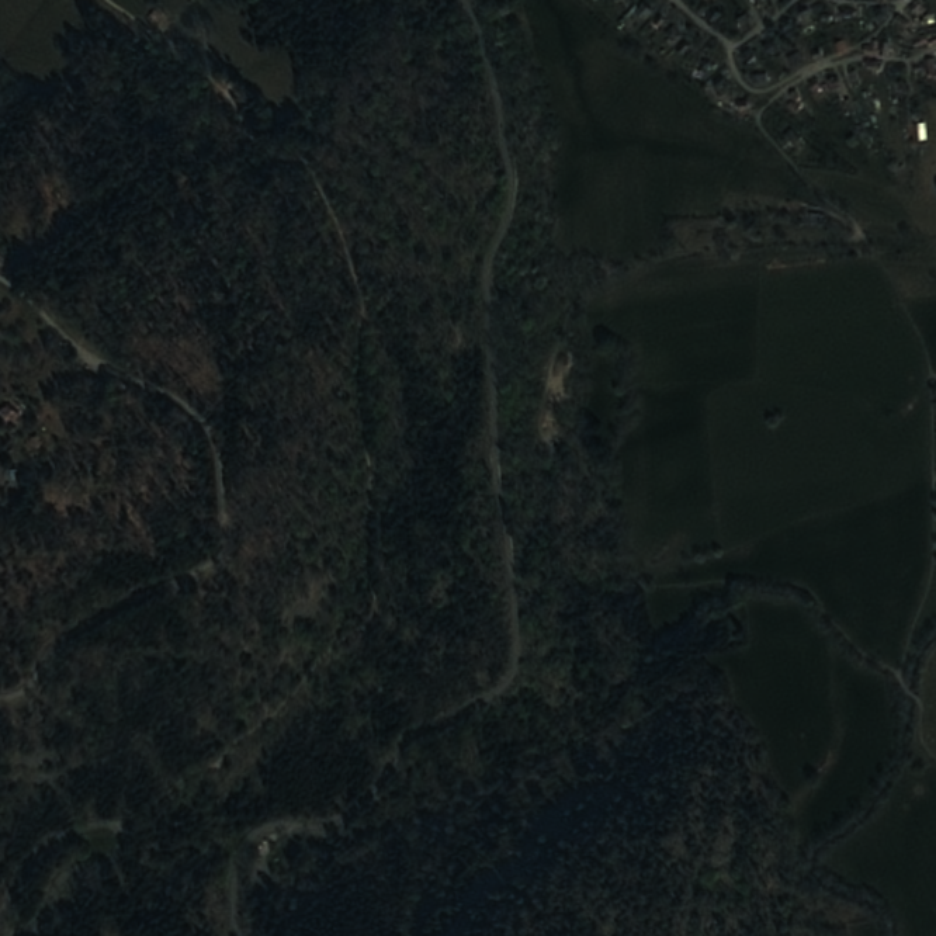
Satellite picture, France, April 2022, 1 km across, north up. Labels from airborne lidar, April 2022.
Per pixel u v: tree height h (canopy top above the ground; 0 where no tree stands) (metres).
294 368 35
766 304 0
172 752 26
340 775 19
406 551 23
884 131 0
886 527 0
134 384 23
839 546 0
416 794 18
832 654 0
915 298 0
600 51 0
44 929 20
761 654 0
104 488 0
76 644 25
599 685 17
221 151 32
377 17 35
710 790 20
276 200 36
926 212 0
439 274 7
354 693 14
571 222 0
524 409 25
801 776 0
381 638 27
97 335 14
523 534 12
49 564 13
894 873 0
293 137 35
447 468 28
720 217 7
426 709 17
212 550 13
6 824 28
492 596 9
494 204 19
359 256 21
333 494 20
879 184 0
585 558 11
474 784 22
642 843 17
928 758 0
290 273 31
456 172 26
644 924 18
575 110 0
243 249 30
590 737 10
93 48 24
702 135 0
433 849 21
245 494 31
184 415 21
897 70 12
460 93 26
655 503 0
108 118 31
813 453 0
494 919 14
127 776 24
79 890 28
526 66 19
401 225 24
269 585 24
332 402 12
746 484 0
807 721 0
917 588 0
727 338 0
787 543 0
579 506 24
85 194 29
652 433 0
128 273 30
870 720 0
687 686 25
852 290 0
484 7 21
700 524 0
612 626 11
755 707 0
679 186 0
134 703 27
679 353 0
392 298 13
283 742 24
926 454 0
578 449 9
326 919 29
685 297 0
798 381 0
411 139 27
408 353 19
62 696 25
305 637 26
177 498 28
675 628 0
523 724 20
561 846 18
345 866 20
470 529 16
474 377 23
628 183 0
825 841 25
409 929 20
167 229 33
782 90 0
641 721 8
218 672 31
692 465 0
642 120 0
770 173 0
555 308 27
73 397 21
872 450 0
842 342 0
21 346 13
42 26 0
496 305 11
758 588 19
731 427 0
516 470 16
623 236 0
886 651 0
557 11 0
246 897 21
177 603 16
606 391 0
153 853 10
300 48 23
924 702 0
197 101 30
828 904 6
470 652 19
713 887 12
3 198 14
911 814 0
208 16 24
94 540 29
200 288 31
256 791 10
